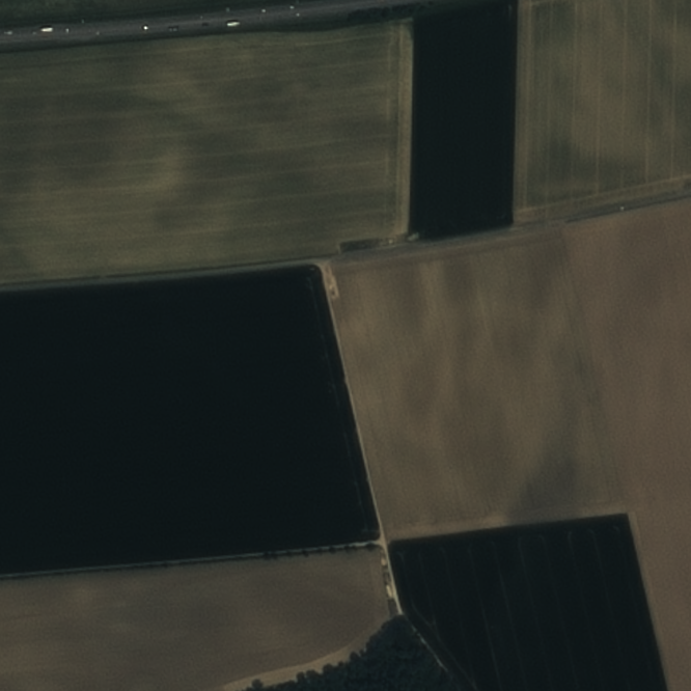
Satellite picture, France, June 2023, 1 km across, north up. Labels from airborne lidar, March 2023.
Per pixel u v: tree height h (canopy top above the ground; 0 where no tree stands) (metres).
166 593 0
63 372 0
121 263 0
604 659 0
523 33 0
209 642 0
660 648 0
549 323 0
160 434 0
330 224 0
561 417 0
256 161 0
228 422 0
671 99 0
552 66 0
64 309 0
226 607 0
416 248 0
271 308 0
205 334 0
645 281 0
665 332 0
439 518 0
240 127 0
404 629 19
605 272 0
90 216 0
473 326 0
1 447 0
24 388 0
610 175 0
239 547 0
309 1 0
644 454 0
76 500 0
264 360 0
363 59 0
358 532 0
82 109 0
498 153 0
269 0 0
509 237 0
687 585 0
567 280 0
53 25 0
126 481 0
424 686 23
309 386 0
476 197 0
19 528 0
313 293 0
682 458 0
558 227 0
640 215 0
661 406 0
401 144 0
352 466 0
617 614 0
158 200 0
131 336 0
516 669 0
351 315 0
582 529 0
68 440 0
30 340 0
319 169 0
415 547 0
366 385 0
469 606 0
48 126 0
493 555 0
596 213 0
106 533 0
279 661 0
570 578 0
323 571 0
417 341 0
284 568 0
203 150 0
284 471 0
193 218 0
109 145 0
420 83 0
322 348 0
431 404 0
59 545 0
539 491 0
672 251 0
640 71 0
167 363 0
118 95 0
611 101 0
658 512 0
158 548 0
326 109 0
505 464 0
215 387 0
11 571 0
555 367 0
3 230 0
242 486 0
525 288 0
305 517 0
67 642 0
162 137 0
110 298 0
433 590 0
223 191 0
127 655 0
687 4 0
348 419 0
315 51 0
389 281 0
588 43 0
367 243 0
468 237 0
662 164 0
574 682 0
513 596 0
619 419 0
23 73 0
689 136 0
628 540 0
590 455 0
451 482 0
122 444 0
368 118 0
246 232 0
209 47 0
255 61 0
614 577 0
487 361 0
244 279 0
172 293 0
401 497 0
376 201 0
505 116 0
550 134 0
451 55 0
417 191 0
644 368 0
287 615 0
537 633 0
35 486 0
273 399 0
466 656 0
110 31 0
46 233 0
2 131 0
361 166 0
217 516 0
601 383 0
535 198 0
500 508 0
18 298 0
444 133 0
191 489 0
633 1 0
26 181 0
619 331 0
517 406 0
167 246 0
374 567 0
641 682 0
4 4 0
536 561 0
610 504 0
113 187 0
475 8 0
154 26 0
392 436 0
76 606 0
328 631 0
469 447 0
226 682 0
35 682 0
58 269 0
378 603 0
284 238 0
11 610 0
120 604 0
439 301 0
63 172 0
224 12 0
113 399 0
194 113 0
